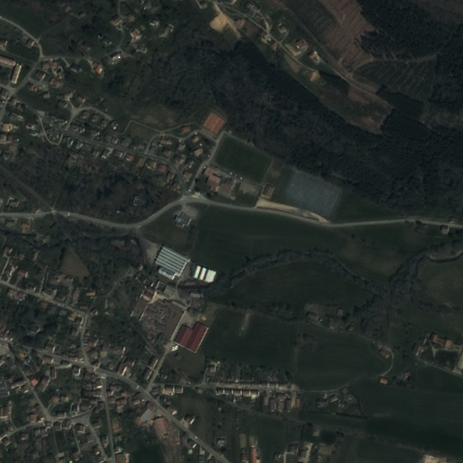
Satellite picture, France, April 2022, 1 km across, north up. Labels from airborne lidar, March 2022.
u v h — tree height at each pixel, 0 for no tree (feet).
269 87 74
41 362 71
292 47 0
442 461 0
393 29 81
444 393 0
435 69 0
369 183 85
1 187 20
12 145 0
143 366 0
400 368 0
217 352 0
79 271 0
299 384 0
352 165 85
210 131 0
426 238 0
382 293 62
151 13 0
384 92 55
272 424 0
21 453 0
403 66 0
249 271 78
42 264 0
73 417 0
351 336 0
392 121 67
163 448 0
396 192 87
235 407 0
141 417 0
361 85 0
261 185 0
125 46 0
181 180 0
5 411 0
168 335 0
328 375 0
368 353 0
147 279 26
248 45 54
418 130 61
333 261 66
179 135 0
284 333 0
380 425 0
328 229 0
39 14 0
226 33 0
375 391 0
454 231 0
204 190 0
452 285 0
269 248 0
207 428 0
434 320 0
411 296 65
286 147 103
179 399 0
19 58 0
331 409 0
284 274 0
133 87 0
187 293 0
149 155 0
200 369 0
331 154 79
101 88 0
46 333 36
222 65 103
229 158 0
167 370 0
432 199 96
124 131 0
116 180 39
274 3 0
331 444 0
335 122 83
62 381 0
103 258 49
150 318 0
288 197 0
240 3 0
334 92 0
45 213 0
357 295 0
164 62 52
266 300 0
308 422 0
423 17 77
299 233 0
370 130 0
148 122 0
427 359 43
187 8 0
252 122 94
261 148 61
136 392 0
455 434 0
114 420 0
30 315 71
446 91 61
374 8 71
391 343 0
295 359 0
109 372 0
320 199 0
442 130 76
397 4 80
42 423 0
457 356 0
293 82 58
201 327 0
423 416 0
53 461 0
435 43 62
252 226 0
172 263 0
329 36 0
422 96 0
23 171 97
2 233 59
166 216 0
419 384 0
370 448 0
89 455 0
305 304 0
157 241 0
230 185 0
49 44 0
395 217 0
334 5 0
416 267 64
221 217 0
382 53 73
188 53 61
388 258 0
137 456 0
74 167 0
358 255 0
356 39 0
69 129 0
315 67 0
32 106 0
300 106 41
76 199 94
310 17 0
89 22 0
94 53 0
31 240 40
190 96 43
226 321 0
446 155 102
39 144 0
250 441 0
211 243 0
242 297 0
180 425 0
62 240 53
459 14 74
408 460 0
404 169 79
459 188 102
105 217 31
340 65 0
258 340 0
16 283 0
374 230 0
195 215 0
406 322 0
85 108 0
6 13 0
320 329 0
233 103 104
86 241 65
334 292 0
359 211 0
